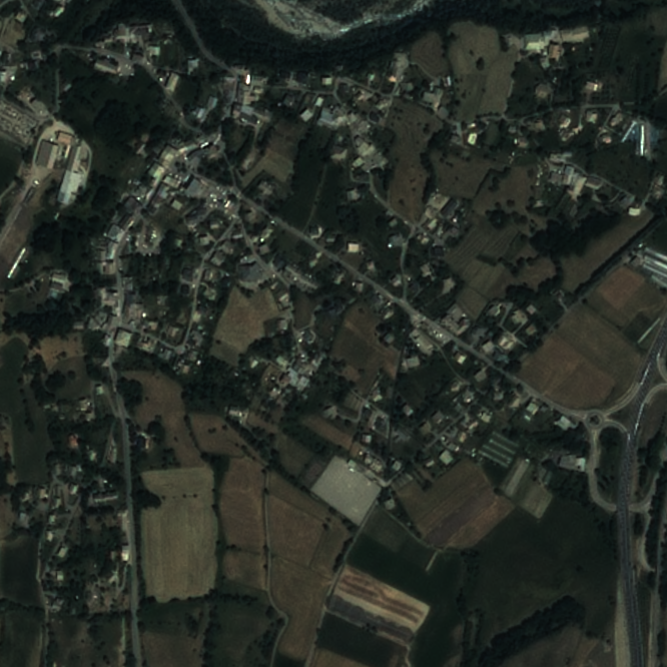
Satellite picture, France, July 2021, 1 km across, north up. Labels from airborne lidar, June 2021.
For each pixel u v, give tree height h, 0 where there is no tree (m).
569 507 0
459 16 21
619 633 0
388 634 0
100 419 7
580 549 0
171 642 0
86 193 14
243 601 15
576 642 0
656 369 0
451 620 0
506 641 15
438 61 0
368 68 11
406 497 0
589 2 12
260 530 0
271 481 0
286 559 0
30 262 0
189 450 0
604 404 0
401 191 0
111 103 16
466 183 0
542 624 8
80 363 0
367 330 0
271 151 0
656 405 0
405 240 0
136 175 0
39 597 0
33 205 0
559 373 0
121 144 12
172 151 0
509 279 0
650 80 6
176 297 0
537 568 0
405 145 0
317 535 0
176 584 0
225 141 6
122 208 14
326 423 0
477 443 0
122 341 0
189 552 0
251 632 0
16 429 0
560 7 12
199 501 0
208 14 12
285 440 0
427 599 0
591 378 0
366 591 0
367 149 0
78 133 13
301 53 9
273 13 0
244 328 0
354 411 0
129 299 0
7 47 0
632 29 0
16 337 0
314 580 0
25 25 10
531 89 9
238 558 0
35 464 0
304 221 0
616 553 8
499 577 0
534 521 0
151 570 0
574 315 0
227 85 0
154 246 0
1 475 13
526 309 8
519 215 8
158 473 0
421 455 11
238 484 0
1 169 0
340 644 0
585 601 0
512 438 13
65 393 0
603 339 0
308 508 0
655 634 0
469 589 0
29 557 0
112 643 0
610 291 0
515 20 19
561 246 18
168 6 12
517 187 0
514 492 0
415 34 16
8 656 0
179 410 0
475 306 0
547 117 9
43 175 0
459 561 0
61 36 9
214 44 19
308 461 0
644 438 0
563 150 6
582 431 10
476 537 0
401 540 0
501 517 0
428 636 0
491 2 21
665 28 0
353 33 6
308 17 0
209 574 0
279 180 0
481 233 0
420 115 0
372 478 0
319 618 0
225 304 9
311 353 8
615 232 0
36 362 11
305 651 0
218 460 11
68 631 0
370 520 0
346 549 7
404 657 0
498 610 0
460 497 0
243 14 7
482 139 8
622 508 0
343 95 8
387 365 0
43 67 8
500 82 0
